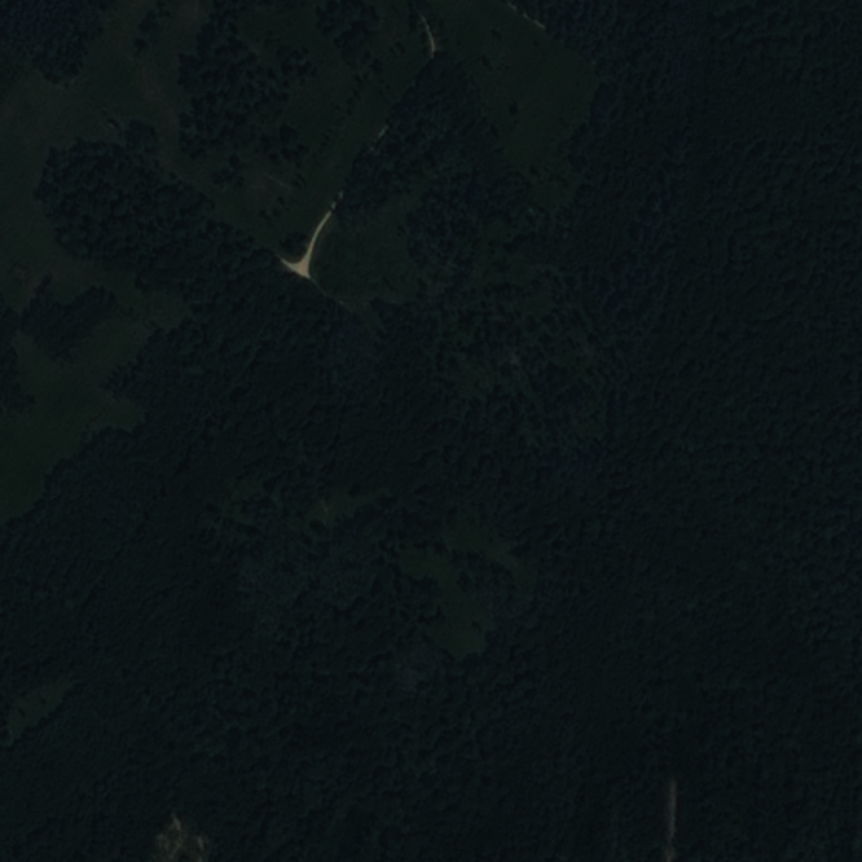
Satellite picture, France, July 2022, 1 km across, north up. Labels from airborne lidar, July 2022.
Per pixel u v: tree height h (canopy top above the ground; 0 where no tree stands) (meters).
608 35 30
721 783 29
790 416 21
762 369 23
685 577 21
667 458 23
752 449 26
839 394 24
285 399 18
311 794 29
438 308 7
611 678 14
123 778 23
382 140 7
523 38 0
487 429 18
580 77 0
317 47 0
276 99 28
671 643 21
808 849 22
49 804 14
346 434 17
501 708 14
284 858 17
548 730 17
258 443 21
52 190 26
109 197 13
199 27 0
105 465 19
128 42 0
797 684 19
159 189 25
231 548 7
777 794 24
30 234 0
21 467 0
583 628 21
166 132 0
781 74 17
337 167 0
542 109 0
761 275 23
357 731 26
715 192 24
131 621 23
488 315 10
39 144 0
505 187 25
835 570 19
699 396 21
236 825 26
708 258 22
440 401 15
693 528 26
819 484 24
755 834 28
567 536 16
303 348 15
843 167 25
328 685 21
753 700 20
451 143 35
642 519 28
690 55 25
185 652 22
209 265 22
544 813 26
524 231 6
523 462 17
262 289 17
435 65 15
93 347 0
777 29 21
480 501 18
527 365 18
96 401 0
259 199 0
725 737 30
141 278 18
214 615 22
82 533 15
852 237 20
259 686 19
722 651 23
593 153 14
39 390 0
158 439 18
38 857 26
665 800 23
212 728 27
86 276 0
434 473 19
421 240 30
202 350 20
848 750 17
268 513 21
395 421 20
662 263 31
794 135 14
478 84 23
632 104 13
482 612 0
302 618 24
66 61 20
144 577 21
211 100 27
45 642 16
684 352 26
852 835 30
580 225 9
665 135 12
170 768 21
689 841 16
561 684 21
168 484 13
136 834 24
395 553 26
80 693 18
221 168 0
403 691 17
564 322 10
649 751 28
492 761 21
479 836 23
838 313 22
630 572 20
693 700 15
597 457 27
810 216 21
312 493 27
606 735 12
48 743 15
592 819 14
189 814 31
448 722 23
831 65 15
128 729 23
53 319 14
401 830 26
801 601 16
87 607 13
